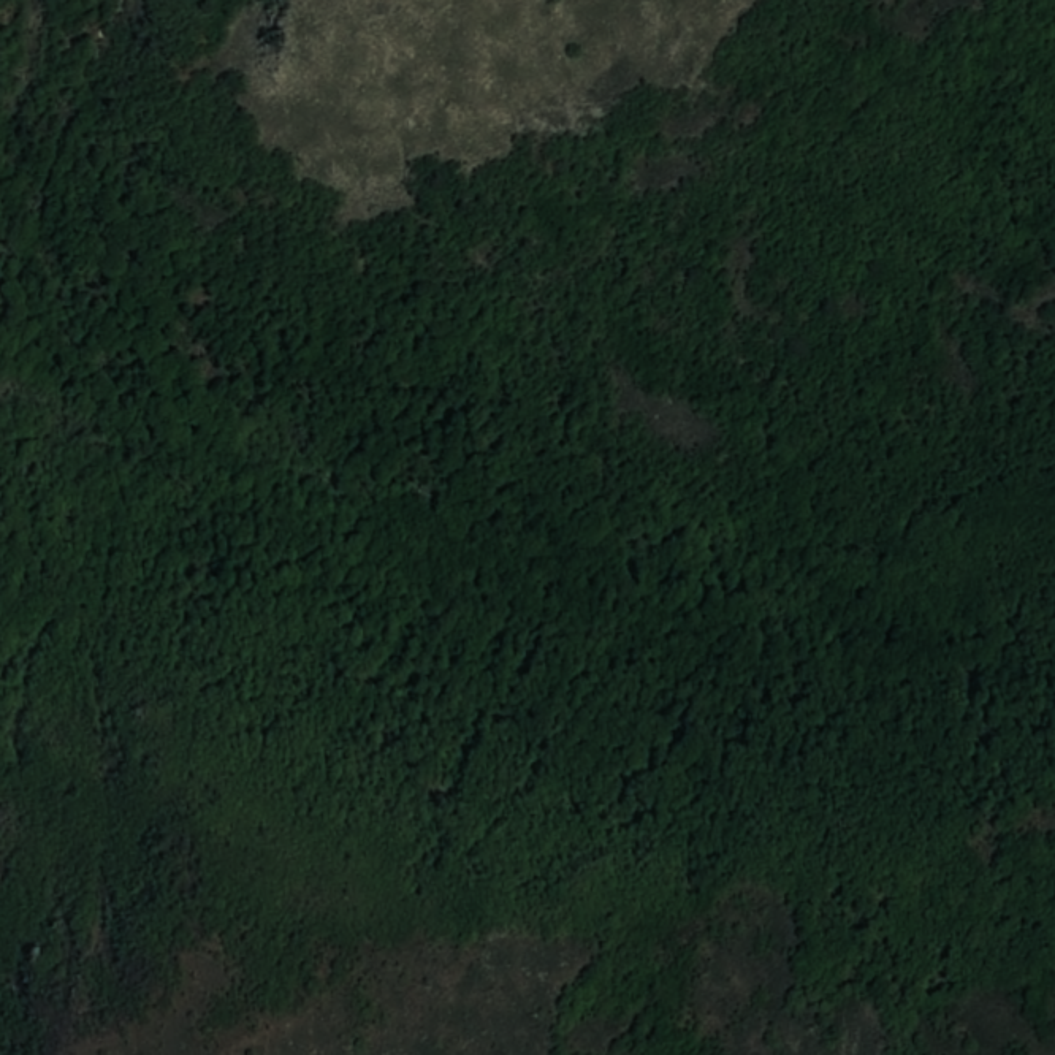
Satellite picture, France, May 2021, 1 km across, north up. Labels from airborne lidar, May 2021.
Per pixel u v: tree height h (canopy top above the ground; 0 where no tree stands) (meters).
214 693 18
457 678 34
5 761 21
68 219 25
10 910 14
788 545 28
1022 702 34
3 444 26
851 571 29
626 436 15
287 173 13
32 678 24
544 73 0
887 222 19
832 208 12
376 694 22
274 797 16
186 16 9
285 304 17
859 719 28
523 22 0
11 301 29
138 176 23
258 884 10
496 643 20
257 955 11
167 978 9
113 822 15
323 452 24
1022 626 25
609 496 23
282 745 18
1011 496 26
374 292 21
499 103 0
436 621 24
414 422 26
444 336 29
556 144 11
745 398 31
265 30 8
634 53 0
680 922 8
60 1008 8
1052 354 15
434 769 34
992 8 17
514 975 0
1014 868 25
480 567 30
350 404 18
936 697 28
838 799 19
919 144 9
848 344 15
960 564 22
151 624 13
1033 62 17
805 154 17
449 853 30
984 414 16
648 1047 24
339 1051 0
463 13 0
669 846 13
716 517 27
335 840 11
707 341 14
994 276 18
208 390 26
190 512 23
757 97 8
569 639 33
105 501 24
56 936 11
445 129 0
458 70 0
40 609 26
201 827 12
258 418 33
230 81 17
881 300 18
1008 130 28
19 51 11
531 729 38
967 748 25
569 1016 17
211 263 21
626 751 40
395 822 8
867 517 18
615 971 20
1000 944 28
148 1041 0
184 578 27
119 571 23
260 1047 0
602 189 24
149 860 10
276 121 0
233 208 13
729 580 33
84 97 14
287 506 28
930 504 18
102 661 11
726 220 14
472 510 27
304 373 19
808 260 15
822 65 14
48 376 16
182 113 18
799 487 27
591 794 31
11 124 15
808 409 20
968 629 25
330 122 0
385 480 34
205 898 14
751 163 16
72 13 22
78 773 12
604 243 17
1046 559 15
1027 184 22
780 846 13
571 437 27
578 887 8
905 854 13
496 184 8
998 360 30
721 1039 6
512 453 29
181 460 20
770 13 14
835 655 30
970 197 26
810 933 20
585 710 35
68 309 27
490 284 12
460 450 29
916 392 7
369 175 0
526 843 11
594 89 0
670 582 30
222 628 25
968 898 24
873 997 15
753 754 33
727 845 28
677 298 14
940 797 27
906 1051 11
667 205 13
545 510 28
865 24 10
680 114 6
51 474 16
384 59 0
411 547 31
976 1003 0
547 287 16
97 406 14
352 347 14
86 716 8
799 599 29
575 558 27
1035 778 20
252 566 32
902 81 16
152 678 10
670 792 36
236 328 24
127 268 36
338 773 18
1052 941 27
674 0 0
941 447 25
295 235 20
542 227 12
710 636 26
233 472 21
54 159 15
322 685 24
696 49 0
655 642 26
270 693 20
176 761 11
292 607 29
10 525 30
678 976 8
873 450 27
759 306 11
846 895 28
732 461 16
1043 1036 13
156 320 34
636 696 34
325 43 0
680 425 0
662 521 28
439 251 15
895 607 31
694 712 39
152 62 11
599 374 19
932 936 26
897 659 31
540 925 10
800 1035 0
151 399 26
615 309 14
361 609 30
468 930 17
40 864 11
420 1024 0
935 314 20
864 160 14
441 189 17
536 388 20
